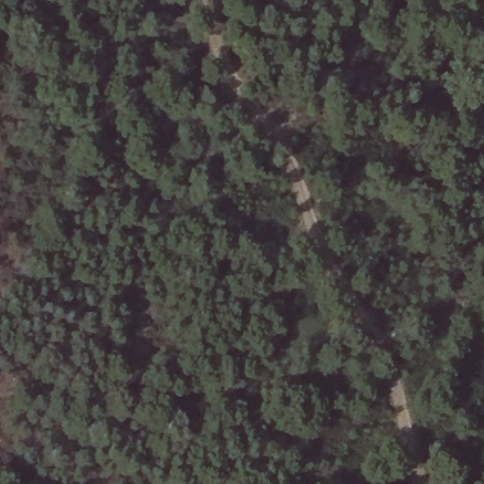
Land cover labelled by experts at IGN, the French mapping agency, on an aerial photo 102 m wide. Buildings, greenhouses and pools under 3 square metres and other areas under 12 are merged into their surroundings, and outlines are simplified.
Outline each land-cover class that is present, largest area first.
<instances>
[{"label":"coniferous trees","instance_id":"1","mask_svg":"<svg viewBox=\"0 0 484 484\"><path fill-rule=\"evenodd\" d=\"M212 34L221 36L223 45L233 47L234 53L242 62L240 66L246 68L248 89L242 96L267 106L270 112L287 110L289 129L301 132L306 130L312 134L308 146L297 155L299 168L287 170L289 159L293 157L291 149L278 144L272 138H257L253 127L244 123L240 106L234 104V98L238 96L234 74H225L223 70H217V57L210 53L208 42ZM310 210L318 214V221L327 225L329 248L338 253V259L342 257L348 265H355L357 268L352 278L354 289L372 295V306L380 308L393 323L391 338L401 342V355L405 357V367L399 382L405 386L406 403L412 418L410 427L397 425V414L401 412V406L391 403V395H386L378 401L376 391H372L371 386L367 384L365 376L371 372L378 378H384L393 359L386 350L376 348L374 338L363 337L361 329H354L350 325V310H344L338 304L335 280H331L325 274V268H321L318 255L312 251L308 240L304 238L306 229L301 221L302 214ZM399 452L422 465L423 473L435 484H484V0H0V484H386L403 478Z\"/></svg>","mask_w":484,"mask_h":484},{"label":"pervious surface","instance_id":"2","mask_svg":"<svg viewBox=\"0 0 484 484\"><path fill-rule=\"evenodd\" d=\"M210 53L217 57V70H223L225 74H234L238 96L234 98V104L240 106L244 123L253 127L257 138H272L278 144L291 149L293 157L289 159L287 170L299 168L297 155L308 146L312 134L306 130L301 132L289 129L287 110L270 112L267 106L242 96L248 89L246 68L240 66L242 62L234 53L233 47L223 45L221 36L212 34L208 42ZM301 221L306 229L304 238L308 240L312 251L318 255L321 268H325V274L331 280H335L338 304L344 310H350V325L354 329H361L363 337L374 338L376 348L386 350L393 359L384 378H378L371 372L365 376L367 384L371 386L372 391H376L378 401L386 395H391V403L401 406V412L397 414V425L410 427L412 418L406 403L405 386L399 382L405 367V357L401 355V342L391 338L393 323L380 308L372 306V295L354 289L352 278L357 268L355 265H348L342 257L338 259V253L329 248L327 225L318 221V214L310 210L302 214ZM403 478L386 484H435L423 473L422 465L399 452Z\"/></svg>","mask_w":484,"mask_h":484}]
</instances>
